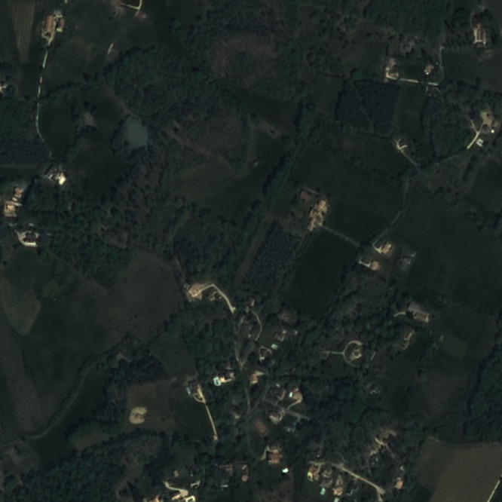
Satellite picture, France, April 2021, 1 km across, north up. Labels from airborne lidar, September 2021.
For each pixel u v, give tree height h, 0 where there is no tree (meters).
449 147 24
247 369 0
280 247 17
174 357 0
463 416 7
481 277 0
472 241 0
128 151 14
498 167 0
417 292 0
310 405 25
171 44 0
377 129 18
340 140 0
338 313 17
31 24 0
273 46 21
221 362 16
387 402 0
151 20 0
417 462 15
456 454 0
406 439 21
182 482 0
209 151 20
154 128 7
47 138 0
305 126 20
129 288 0
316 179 0
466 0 0
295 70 18
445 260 0
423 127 13
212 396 16
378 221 0
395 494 15
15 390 0
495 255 0
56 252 13
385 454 17
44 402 0
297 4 17
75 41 0
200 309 0
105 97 0
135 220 22
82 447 0
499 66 0
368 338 9
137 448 25
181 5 0
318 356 14
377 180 0
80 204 15
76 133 6
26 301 0
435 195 10
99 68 0
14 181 8
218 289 0
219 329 19
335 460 14
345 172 0
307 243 7
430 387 0
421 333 12
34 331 0
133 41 0
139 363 6
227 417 16
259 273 14
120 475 23
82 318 0
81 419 0
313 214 0
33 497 20
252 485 16
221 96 25
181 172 18
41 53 10
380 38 11
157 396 0
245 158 18
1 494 14
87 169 0
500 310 0
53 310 0
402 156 0
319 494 0
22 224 15
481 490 0
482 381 23
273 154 0
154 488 9
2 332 0
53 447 0
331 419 12
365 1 12
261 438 0
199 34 16
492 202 0
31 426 0
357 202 0
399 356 9
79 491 24
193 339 20
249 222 13
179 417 0
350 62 0
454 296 0
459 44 12
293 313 10
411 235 0
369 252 21
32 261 0
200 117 17
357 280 18
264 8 22
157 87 26
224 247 15
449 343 0
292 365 9
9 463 0
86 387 0
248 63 21
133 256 15
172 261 19
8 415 0
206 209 0
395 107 17
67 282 0
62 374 0
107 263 17
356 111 16
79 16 0
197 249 8
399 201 0
